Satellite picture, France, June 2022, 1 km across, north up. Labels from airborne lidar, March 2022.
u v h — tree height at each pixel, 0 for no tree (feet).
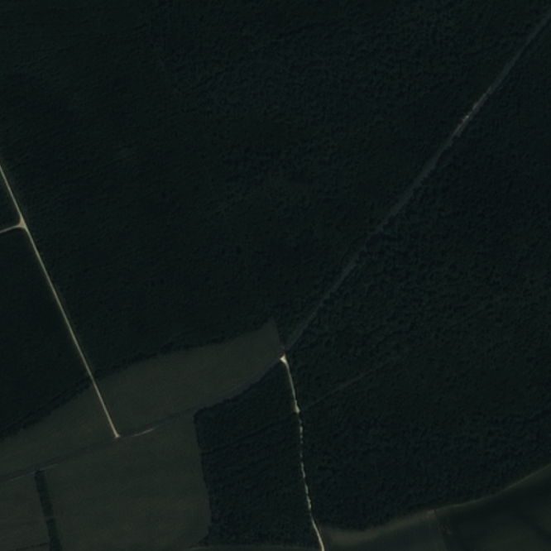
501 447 46
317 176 0
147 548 0
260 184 56
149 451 0
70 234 26
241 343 0
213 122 47
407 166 30
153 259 31
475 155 48
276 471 40
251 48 31
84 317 25
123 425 0
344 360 26
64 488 0
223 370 0
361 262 33
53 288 0
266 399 46
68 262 25
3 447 0
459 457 61
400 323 44
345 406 50
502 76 0
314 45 55
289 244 30
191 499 0
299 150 53
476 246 58
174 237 37
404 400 22
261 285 27
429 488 60
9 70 22
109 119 32
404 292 53
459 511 0
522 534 0
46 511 23
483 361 29
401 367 24
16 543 0
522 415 34
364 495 63
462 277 20
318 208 30
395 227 68
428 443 58
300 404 44
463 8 43
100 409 0
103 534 0
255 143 23
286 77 46
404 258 66
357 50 49
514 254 54
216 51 51
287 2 29
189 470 0
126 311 20
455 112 51
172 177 29
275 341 0
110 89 32
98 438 0
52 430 0
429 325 25
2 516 0
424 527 0
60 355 56
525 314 27
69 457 0
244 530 40
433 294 58
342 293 49
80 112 24
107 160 20
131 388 0
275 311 47
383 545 0
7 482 0
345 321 58
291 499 25
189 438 0
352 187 31
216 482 39
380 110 39
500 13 21
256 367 0
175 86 48
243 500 43
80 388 31
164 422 0
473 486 54
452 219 72
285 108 50
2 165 0
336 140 51
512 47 29
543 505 0
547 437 65
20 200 0
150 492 0
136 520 0
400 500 51
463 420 53
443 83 39
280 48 52
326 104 50
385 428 52
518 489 0
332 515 52
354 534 0
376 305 56
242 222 21
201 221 23
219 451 45
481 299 48
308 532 60
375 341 47
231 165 71
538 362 55
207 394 0
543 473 0
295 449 42
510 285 54
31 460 0
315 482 52
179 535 0
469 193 64
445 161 56
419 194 53
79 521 0
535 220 66
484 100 0
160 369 0
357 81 51
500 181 60
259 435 43
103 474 0
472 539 0
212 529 51
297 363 49
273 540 26
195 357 0
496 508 0
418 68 63
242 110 45
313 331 41
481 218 72
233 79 44
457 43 67
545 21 0
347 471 53
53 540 19
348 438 59
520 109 50
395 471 62
